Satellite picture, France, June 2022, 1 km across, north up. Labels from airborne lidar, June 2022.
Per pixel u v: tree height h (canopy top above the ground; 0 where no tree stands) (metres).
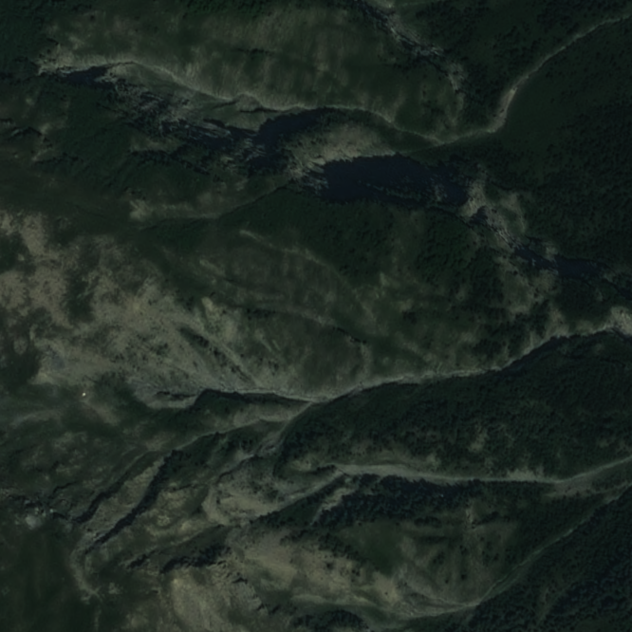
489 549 10
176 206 0
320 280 0
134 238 0
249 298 0
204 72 0
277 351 0
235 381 0
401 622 0
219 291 0
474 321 7
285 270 0
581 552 10
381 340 0
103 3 0
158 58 0
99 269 0
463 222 29
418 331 0
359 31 0
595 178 15
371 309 0
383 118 0
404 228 0
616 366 8
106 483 0
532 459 9
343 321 0
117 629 0
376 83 0
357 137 0
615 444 12
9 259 0
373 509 19
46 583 0
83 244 0
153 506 0
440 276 8
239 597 0
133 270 0
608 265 10
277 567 0
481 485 28
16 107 0
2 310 0
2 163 0
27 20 9
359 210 7
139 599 0
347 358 0
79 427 0
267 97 0
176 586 0
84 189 0
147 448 0
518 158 9
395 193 22
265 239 0
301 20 0
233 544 0
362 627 13
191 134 17
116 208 0
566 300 8
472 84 9
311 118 20
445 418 18
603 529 7
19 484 0
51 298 0
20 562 0
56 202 0
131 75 0
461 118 6
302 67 0
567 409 14
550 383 8
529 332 7
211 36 0
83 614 0
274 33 0
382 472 0
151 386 0
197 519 0
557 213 11
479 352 10
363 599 0
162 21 0
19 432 0
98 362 0
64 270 0
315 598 0
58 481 0
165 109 9
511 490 9
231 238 0
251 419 0
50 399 0
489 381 7
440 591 0
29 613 0
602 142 12
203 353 0
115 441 0
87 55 0
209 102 0
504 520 6
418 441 11
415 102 0
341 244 10
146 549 0
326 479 0
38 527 0
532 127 0
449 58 17
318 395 0
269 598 0
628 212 22
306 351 0
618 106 10
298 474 0
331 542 16
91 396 0
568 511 16
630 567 16
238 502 0
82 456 0
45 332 0
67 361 0
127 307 0
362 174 6
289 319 0
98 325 0
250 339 0
